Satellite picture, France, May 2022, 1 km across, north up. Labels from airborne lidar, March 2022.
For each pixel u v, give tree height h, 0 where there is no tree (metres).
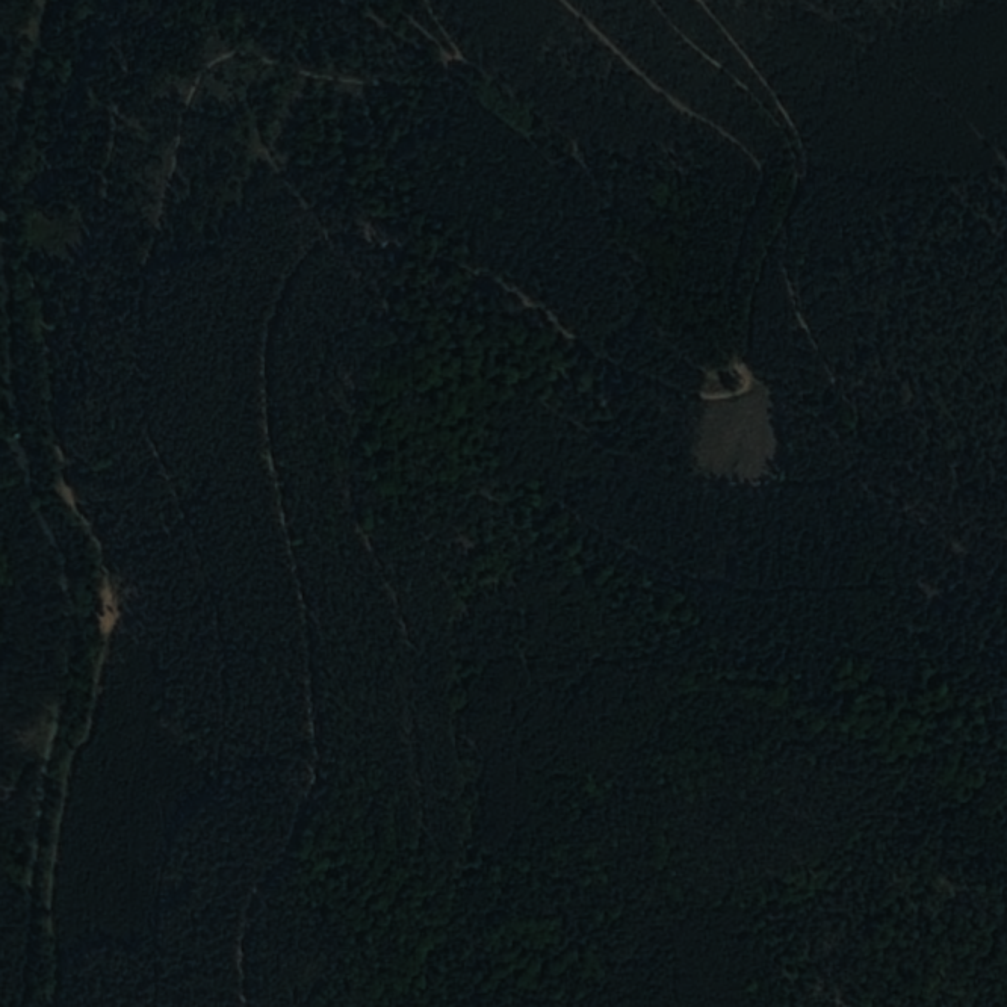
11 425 17
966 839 22
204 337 22
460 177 21
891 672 24
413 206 15
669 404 25
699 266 19
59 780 14
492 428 17
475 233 24
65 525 22
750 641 24
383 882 28
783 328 10
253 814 33
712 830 30
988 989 28
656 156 24
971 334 23
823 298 8
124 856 7
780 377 26
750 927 21
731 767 24
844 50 8
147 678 6
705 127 14
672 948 22
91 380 26
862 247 23
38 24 0
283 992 21
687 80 10
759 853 23
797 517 22
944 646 20
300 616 9
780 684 19
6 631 28
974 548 28
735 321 17
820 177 19
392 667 24
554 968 22
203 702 24
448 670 19
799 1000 22
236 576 24
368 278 25
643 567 23
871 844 24
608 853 25
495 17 13
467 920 15
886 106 13
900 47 11
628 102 9
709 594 25
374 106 15
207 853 22
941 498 25
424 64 31
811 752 26
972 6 6
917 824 26
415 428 27
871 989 26
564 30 9
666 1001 24
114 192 9
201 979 24
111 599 0
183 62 13
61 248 0
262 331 18
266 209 19
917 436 16
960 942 27
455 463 23
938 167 16
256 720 21
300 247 17
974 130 11
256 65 7
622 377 23
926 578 23
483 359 38
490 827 13
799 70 10
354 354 24
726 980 23
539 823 19
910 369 22
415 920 21
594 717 16
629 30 11
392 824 23
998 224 24
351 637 22
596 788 21
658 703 19
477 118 23
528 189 24
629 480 26
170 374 23
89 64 27
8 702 28
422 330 33
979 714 17
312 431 20
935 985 25
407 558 19
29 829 27
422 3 17
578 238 27
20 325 25
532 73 15
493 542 20
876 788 25
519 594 12
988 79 12
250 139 7
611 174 23
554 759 18
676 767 26
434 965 17
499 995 23
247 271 26
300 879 24
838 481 21
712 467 0
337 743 19
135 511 26
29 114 22
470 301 35
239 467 24
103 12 37
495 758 17
